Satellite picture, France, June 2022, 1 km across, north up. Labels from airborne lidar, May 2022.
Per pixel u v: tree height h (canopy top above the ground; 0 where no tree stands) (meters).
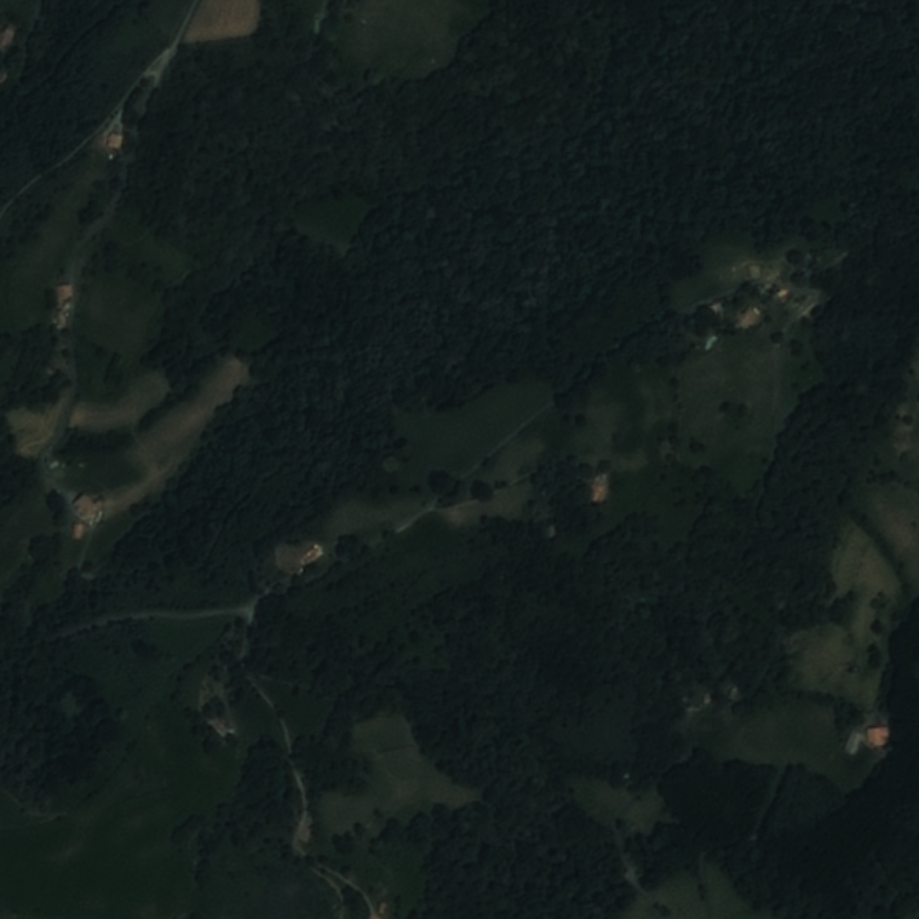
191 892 0
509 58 15
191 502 16
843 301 21
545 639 11
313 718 0
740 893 7
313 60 15
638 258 14
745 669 19
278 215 22
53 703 26
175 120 18
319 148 14
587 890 23
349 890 13
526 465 0
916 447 0
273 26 10
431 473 0
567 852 11
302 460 8
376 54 0
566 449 0
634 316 0
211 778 0
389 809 0
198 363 25
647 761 11
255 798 15
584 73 32
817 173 7
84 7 20
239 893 0
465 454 0
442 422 0
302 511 9
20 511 0
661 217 12
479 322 16
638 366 9
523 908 24
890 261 16
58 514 8
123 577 11
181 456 0
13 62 21
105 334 0
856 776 0
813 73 15
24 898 0
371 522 0
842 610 16
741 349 0
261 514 7
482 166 25
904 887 14
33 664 16
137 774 0
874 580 0
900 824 29
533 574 12
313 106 14
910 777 25
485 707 21
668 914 16
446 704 32
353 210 0
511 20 19
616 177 21
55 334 10
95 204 12
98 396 0
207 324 15
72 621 14
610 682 9
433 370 28
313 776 14
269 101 16
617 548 19
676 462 10
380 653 13
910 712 27
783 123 24
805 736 0
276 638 17
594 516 10
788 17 26
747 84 20
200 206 12
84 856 0
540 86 15
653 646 23
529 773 21
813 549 20
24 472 15
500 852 24
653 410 0
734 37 20
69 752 24
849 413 19
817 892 28
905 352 21
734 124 26
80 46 10
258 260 28
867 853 29
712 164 19
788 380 0
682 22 17
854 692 0
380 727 0
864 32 24
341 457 10
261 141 16
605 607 14
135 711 0
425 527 0
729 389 0
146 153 14
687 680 22
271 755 18
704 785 22
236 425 8
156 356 12
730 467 0
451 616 11
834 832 27
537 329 31
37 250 0
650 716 9
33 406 14
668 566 20
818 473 23
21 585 13
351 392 26
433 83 17
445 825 21
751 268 0
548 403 0
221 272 20
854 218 9
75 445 9
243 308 17
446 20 0
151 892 0
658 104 19
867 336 30
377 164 11
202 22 0
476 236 25
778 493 22
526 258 22
